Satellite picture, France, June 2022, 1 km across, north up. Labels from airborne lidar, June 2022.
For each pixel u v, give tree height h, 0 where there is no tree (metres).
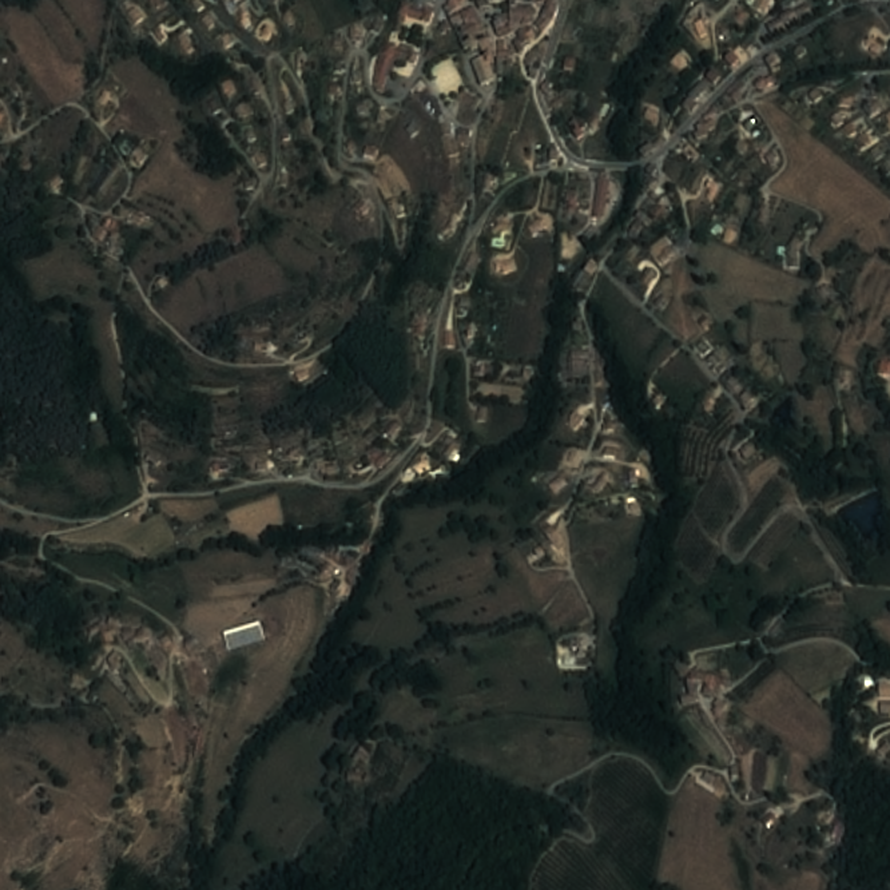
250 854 0
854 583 9
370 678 0
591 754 7
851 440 10
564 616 0
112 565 0
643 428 22
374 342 27
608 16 0
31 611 16
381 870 18
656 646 0
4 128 0
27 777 0
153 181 0
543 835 6
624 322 0
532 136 0
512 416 0
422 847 12
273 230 6
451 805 11
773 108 0
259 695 0
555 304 13
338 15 0
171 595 0
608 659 0
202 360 0
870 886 10
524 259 0
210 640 0
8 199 13
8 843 0
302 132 0
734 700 5
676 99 14
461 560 0
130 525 0
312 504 0
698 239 14
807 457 15
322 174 14
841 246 7
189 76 9
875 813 10
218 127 14
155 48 14
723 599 15
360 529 9
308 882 28
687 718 0
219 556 0
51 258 0
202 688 0
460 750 0
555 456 0
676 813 0
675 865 0
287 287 0
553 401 11
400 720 0
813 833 11
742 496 0
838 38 0
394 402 22
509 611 0
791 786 0
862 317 6
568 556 0
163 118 0
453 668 0
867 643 13
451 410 13
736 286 0
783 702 0
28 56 0
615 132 18
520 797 11
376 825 16
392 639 0
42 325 7
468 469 13
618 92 16
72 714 6
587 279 0
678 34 9
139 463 10
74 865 0
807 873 0
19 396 13
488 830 14
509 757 0
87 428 6
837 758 8
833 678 0
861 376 6
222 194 0
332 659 24
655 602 19
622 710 21
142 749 9
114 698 0
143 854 0
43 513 10
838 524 11
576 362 0
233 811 9
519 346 0
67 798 0
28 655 0
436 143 0
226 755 0
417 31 9
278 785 0
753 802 0
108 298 14
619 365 17
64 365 17
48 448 13
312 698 25
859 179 0
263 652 0
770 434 12
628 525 0
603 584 0
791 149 0
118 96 0
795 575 0
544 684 0
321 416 19
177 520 7
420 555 0
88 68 8
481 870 12
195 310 0
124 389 9
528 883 9
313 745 0
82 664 7
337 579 7
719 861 0
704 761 0
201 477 6
